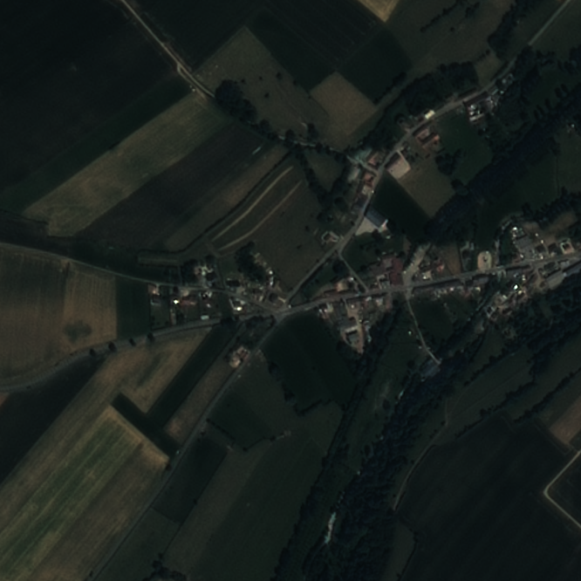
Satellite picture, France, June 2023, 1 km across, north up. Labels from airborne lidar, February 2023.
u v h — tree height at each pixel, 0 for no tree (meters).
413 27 0
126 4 0
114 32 0
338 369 0
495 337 0
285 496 0
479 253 0
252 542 0
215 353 0
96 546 0
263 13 0
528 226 0
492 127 8
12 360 0
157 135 0
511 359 0
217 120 0
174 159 0
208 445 0
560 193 0
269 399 0
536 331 10
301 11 0
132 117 0
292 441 0
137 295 0
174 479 0
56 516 0
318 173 0
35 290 0
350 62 0
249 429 0
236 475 0
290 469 0
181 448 0
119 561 0
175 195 0
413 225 0
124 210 0
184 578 9
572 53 0
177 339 0
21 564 0
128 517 0
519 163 37
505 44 11
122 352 0
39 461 0
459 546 0
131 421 0
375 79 0
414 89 12
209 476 0
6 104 0
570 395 0
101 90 0
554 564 0
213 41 0
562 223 0
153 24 0
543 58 15
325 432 0
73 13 0
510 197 0
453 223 33
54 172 0
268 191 0
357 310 0
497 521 0
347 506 22
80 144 0
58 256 0
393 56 0
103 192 0
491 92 0
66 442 0
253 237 0
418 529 0
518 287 0
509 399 16
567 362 0
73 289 0
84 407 0
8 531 0
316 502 21
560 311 21
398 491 0
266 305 0
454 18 0
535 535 0
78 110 0
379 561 24
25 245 0
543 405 8
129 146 0
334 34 0
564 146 0
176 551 0
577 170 0
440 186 0
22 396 0
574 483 0
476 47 0
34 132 0
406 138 0
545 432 0
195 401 0
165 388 0
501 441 0
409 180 0
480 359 0
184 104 0
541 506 0
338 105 0
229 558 0
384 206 0
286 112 0
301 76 0
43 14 0
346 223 0
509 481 0
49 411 0
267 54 0
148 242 0
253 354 0
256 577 0
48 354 0
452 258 0
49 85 0
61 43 0
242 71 0
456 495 0
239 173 0
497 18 0
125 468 0
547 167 0
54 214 0
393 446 23
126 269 0
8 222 0
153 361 0
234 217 0
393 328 12
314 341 0
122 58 0
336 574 0
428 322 0
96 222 0
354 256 0
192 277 15
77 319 0
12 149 0
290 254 0
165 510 0
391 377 0
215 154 0
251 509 0
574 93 0
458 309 0
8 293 0
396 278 0
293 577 0
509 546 0
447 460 0
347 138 0
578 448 0
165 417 0
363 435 0
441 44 0
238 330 0
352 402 6
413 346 0
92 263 0
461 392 0
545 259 0
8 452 0
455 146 0
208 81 0
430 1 0
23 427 0
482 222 0
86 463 0
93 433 0
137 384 0
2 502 0
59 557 0
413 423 21
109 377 0
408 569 0
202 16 0
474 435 0
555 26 0
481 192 37
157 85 0
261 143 0
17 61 0
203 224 0
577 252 0
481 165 0
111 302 0
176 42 0
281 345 0
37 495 0
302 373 0
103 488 0
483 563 0
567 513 0
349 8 0
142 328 0
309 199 0
